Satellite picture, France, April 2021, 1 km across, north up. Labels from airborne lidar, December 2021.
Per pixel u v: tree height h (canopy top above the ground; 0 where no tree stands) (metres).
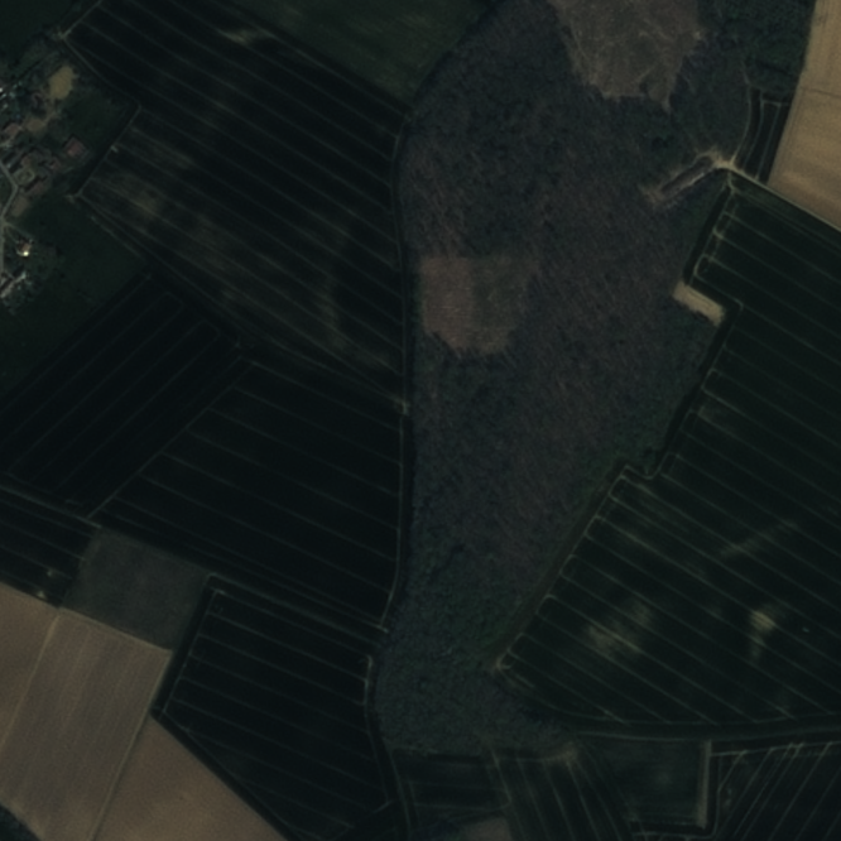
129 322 0
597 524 0
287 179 0
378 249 0
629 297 28
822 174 0
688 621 0
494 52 24
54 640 0
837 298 0
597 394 29
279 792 0
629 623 0
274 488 0
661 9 0
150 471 0
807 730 0
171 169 0
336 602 0
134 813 0
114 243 0
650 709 0
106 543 0
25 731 0
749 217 0
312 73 0
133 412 0
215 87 0
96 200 0
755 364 0
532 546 27
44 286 12
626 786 0
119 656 0
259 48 0
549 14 27
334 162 0
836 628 0
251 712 0
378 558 0
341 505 0
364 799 0
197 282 0
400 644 24
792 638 0
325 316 0
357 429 0
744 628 0
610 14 0
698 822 0
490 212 28
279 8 0
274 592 0
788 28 22
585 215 23
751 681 0
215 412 0
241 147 0
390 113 0
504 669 0
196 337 0
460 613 28
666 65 0
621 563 0
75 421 0
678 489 0
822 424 0
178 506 0
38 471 0
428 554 23
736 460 0
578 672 0
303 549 0
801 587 0
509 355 0
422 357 24
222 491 0
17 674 0
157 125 0
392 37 0
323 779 0
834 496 0
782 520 0
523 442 26
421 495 18
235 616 0
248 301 0
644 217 29
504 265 0
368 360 0
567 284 24
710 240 0
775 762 0
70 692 0
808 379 0
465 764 0
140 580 0
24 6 0
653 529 0
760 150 0
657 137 25
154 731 0
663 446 15
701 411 0
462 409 26
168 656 0
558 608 0
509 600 23
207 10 0
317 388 0
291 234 0
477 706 23
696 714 0
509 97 28
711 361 0
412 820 0
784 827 0
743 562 0
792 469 0
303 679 0
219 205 0
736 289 0
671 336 29
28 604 0
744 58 25
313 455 0
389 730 17
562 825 0
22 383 0
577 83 27
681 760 0
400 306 0
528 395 27
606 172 27
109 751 0
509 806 0
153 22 0
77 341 0
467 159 27
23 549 0
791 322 0
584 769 0
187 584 0
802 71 14
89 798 0
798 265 0
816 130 0
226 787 0
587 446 26
